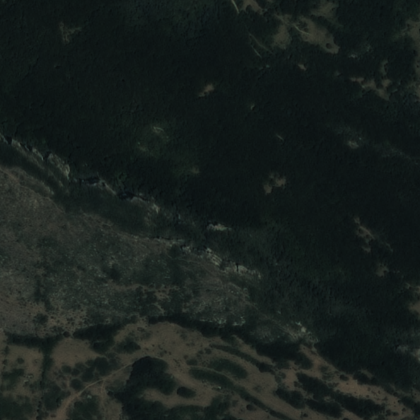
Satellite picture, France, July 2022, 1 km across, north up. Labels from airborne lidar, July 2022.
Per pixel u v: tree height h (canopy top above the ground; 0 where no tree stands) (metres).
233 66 27
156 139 5
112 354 0
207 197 14
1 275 0
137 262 0
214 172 15
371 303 20
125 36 22
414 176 13
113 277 7
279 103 20
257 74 11
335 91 21
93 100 18
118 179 21
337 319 11
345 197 14
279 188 10
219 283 0
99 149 25
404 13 6
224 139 19
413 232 13
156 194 23
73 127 29
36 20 20
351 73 16
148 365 20
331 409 9
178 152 7
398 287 8
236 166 13
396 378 12
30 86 23
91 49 19
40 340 13
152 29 15
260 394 0
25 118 16
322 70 18
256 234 8
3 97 21
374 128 23
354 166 18
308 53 10
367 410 11
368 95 17
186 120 14
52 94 27
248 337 10
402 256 10
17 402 0
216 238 12
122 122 10
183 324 18
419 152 20
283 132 17
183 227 6
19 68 11
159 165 14
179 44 21
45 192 0
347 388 0
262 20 18
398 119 16
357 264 15
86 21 8
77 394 0
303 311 7
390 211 17
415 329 8
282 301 6
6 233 0
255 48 9
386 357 20
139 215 7
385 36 13
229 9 14
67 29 6
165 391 7
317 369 0
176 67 20
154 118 8
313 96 23
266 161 16
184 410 7
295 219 15
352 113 22
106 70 21
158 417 7
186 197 19
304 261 7
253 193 18
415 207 14
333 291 17
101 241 0
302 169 14
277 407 0
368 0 15
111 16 25
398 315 18
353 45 14
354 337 16
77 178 8
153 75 22
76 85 17
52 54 18
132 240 0
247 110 17
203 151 12
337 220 14
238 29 17
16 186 0
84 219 0
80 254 0
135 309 9
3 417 0
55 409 0
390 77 13
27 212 0
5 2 6
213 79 16
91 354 0
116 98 20
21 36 20
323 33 0
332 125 6
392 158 9
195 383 0
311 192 17
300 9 14
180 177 9
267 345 8
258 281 10
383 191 17
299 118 17
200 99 21
